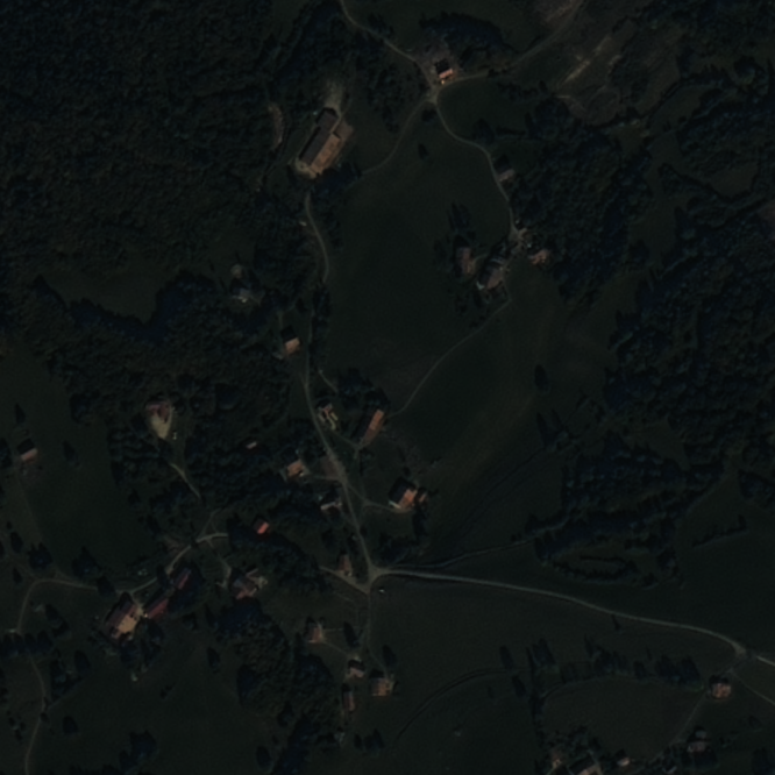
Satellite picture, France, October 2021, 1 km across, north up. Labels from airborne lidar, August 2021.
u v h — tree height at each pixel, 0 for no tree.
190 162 18
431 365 0
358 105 0
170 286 0
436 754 0
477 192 0
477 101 0
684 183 6
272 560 15
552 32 0
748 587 0
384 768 0
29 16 25
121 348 21
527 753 0
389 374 0
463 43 19
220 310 13
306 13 7
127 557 0
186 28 16
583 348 0
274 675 19
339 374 0
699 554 0
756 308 10
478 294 0
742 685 0
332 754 22
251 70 11
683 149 8
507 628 0
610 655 0
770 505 13
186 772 0
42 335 21
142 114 20
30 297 26
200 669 0
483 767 0
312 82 9
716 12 21
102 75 16
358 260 0
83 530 0
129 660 17
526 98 8
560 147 6
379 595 0
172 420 0
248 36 13
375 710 0
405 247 0
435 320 0
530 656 0
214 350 22
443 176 0
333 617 0
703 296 7
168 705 0
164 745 0
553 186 15
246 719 0
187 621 10
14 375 0
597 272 15
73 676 0
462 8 0
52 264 24
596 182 19
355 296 0
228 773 0
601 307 0
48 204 20
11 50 16
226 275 0
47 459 0
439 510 0
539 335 0
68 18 17
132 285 0
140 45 19
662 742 0
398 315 0
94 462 0
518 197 7
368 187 0
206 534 0
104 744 0
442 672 0
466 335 0
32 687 0
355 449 0
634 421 17
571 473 0
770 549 0
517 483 0
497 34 0
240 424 17
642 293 0
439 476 0
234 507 17
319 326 9
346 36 20
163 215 21
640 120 14
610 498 18
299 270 20
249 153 15
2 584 0
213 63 18
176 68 24
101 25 16
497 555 0
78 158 9
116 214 19
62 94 15
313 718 21
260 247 12
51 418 0
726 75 0
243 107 15
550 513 0
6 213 19
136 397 17
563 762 0
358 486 0
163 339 24
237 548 15
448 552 0
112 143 16
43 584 0
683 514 13
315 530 22
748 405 17
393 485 0
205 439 14
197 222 14
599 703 0
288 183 0
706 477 15
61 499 0
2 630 0
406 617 0
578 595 0
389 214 0
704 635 0
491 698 7
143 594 0
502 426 0
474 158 0
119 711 0
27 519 0
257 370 15
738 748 0
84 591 0
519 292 0
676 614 0
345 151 0
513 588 0
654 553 12
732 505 0
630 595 0
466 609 0
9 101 28
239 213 15
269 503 20
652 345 13
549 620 0
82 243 25
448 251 0
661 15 15
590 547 15
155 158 20
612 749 0
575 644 0
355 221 0
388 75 8
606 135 5
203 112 17
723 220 7
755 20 8
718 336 19
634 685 0
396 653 0
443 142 0
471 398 0
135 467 11
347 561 0
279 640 25
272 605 0
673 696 0
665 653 0
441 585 0
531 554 0
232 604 0
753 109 12
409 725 0
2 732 0
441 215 0
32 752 0
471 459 0
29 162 14
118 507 0
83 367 16
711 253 18
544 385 18
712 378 18
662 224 0
